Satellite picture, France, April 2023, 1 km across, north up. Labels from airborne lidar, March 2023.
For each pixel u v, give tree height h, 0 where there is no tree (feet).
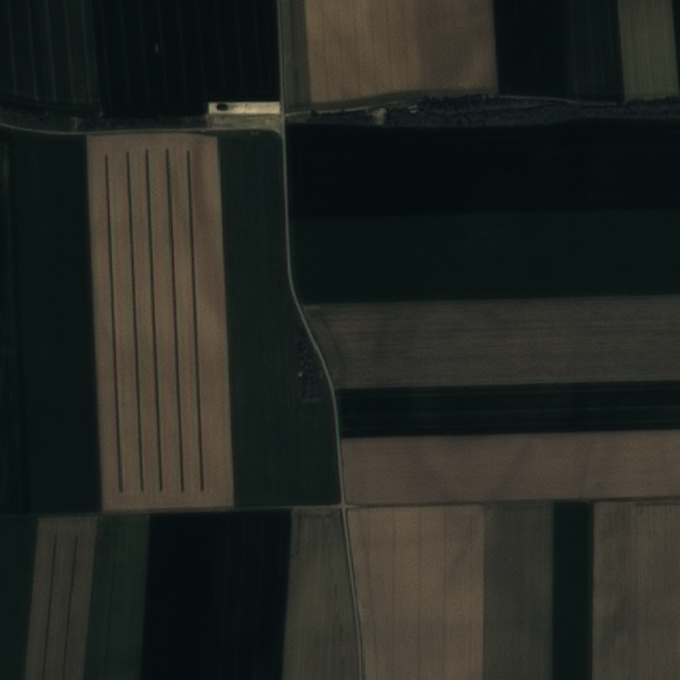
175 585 0
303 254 0
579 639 0
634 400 0
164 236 0
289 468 0
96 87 0
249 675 0
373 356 0
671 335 0
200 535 0
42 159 0
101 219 0
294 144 0
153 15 0
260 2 0
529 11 0
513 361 0
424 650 0
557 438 0
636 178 0
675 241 0
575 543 0
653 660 0
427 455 0
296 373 0
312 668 0
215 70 0
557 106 19
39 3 0
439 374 0
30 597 0
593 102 0
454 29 0
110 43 0
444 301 0
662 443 0
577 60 0
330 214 0
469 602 0
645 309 0
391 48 0
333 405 0
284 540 0
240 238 0
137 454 0
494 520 0
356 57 0
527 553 0
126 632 0
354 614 0
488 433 0
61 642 0
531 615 0
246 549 0
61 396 0
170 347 0
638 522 0
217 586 0
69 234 0
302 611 0
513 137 0
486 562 0
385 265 0
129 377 0
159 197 0
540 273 0
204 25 0
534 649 0
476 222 0
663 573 0
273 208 0
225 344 0
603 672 0
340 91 0
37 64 0
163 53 0
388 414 0
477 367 0
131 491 0
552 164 0
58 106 0
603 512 0
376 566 0
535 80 0
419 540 0
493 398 0
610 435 0
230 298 0
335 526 0
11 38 0
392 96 0
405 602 0
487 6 0
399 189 0
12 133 0
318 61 0
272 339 0
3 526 0
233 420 0
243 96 0
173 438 0
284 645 0
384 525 0
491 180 0
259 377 0
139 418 0
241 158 0
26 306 0
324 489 0
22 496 0
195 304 0
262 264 0
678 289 0
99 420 0
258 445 0
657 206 0
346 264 0
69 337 0
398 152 0
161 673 0
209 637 0
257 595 0
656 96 0
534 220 0
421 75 0
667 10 0
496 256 0
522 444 0
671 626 0
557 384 0
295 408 0
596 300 0
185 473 0
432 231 0
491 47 0
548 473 0
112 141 0
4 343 0
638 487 0
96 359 0
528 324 0
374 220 0
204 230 0
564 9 0
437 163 0
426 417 0
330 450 0
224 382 0
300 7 0
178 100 0
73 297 0
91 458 0
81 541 0
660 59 0
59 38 0
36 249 0
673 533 0
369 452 0
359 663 0
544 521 0
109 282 0
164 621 0
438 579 0
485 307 0
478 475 0
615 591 0
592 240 0
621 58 0
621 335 0
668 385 0
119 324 0
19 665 0
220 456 0
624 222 0
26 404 0
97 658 0
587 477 0
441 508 0
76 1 0
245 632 0
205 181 0
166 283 0
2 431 0
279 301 0
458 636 0
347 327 0
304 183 0
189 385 0
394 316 0
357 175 0
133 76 0
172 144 0
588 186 0
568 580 0
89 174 0
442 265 0
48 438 0
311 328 0
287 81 0
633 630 0
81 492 0
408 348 0
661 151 0
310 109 0
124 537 0
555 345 0
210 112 0
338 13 0
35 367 0
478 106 36
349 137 0
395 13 0
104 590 0
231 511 0
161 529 0
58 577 0
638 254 0
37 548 0
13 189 0
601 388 0
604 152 0
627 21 0
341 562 0
